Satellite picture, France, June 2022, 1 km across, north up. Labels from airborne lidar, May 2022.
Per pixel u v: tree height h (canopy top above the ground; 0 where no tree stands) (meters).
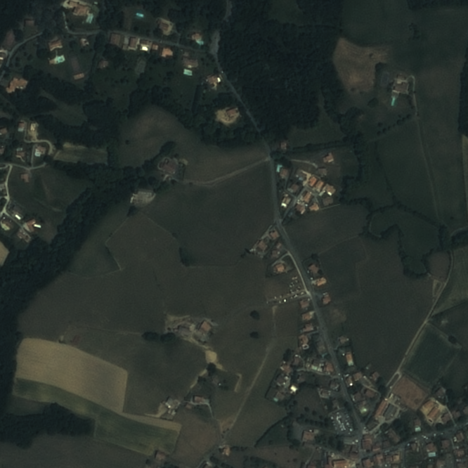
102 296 0
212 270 0
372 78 0
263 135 18
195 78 0
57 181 0
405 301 0
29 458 0
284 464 0
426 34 0
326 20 24
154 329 0
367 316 0
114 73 0
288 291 0
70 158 0
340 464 0
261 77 9
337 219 0
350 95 0
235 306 0
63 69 0
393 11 0
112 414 0
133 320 0
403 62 0
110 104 22
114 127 25
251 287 0
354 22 0
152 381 0
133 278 0
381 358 0
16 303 22
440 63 0
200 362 0
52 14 21
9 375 25
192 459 0
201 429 0
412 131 0
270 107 14
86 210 25
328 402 0
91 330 0
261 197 0
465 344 0
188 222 0
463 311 0
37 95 20
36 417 13
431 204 0
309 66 19
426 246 0
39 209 0
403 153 0
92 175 29
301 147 8
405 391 0
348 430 0
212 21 19
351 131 25
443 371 0
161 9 15
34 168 0
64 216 0
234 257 0
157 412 0
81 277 0
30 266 12
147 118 0
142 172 23
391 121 0
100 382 0
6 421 20
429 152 0
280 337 0
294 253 0
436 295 0
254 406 0
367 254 0
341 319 0
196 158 0
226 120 0
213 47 0
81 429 19
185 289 0
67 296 0
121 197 17
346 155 0
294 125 14
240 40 14
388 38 0
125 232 0
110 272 0
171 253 0
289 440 8
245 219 0
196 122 30
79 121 0
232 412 0
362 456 0
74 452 0
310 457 0
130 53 0
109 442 0
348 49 0
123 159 0
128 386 0
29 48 0
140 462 0
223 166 0
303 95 22
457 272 0
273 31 24
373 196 0
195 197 0
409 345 0
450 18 0
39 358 0
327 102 16
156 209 0
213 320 0
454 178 0
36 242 18
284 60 21
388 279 0
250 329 0
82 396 0
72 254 16
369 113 0
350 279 0
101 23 24
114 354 0
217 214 0
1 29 22
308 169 0
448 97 0
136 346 0
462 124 15
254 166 0
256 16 18
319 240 0
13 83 0
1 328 28
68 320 0
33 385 0
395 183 0
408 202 0
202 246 0
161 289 0
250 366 0
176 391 0
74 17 0
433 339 0
